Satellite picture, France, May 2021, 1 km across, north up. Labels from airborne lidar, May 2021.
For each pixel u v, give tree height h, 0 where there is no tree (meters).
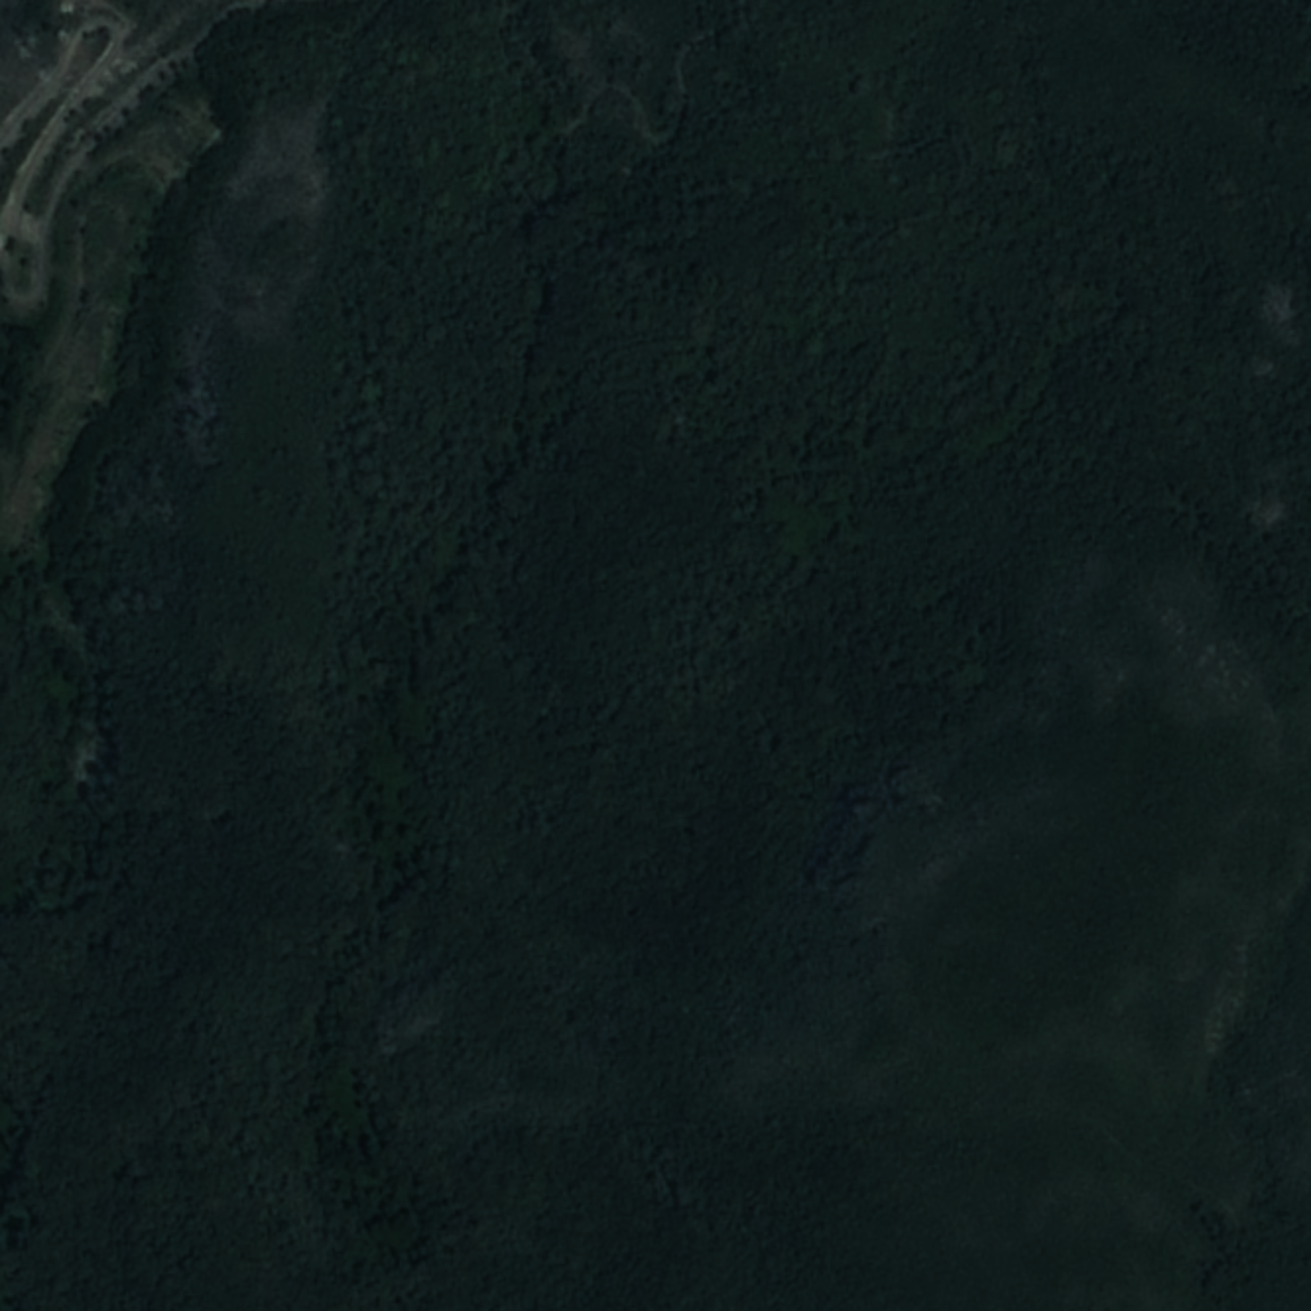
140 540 6
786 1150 11
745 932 10
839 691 15
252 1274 17
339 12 16
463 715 11
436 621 23
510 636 18
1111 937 6
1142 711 6
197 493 7
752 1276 8
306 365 8
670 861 18
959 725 9
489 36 12
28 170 0
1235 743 6
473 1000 14
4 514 0
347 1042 20
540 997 14
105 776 27
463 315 15
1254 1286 5
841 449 10
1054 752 6
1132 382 12
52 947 19
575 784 12
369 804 5
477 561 21
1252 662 7
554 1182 12
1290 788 6
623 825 14
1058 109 7
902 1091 6
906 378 6
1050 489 8
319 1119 17
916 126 6
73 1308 22
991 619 7
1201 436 14
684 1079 9
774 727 16
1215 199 7
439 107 13
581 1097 9
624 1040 8
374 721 15
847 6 7
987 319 7
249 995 9
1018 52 17
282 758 13
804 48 9
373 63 14
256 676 6
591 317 15
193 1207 13
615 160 12
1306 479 8
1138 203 25
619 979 10
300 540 6
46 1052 19
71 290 0
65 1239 21
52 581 17
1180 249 19
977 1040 5
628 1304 13
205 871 22
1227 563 15
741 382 14
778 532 12
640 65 13
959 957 5
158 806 19
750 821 20
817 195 6
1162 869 7
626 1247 15
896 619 8
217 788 18
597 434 17
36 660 28
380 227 12
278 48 5
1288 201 8
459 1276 21
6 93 0
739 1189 16
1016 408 11
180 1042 14
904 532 7
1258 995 7
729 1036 10
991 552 6
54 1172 22
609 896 20
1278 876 6
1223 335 18
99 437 22
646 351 7
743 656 22
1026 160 15
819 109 11
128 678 16
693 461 11
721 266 13
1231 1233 16
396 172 11
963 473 8
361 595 14
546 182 18
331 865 10
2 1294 18
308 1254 8
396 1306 17
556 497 16
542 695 14
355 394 9
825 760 12
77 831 24
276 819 16
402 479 10
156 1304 19
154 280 20
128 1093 21
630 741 14
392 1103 15
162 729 16
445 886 13
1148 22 6
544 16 10
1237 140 7
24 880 14
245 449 6
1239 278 8
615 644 10
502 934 16
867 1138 8
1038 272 9
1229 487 13
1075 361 8
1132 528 13
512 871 16
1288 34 9
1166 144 6
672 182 9
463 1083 7
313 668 8
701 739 16
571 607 13
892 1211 6
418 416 9
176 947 19
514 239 22
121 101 0
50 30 11
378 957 17
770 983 7
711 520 13
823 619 17
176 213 20
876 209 7
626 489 12
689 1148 14
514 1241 8
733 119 9
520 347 16
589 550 13
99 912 25
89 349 0
